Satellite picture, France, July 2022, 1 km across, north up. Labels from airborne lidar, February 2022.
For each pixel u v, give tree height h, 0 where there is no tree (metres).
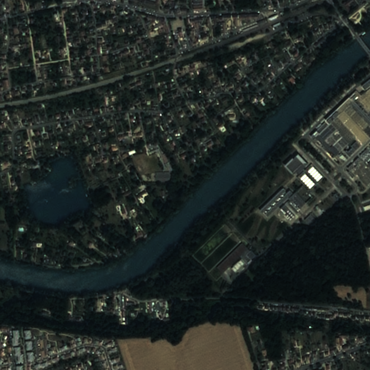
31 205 0
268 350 11
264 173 13
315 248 29
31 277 0
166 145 0
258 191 0
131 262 0
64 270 8
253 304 16
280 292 17
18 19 7
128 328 13
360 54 0
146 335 12
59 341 0
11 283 13
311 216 0
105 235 28
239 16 0
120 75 0
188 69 0
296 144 0
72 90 0
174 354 0
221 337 0
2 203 14
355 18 0
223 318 17
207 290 7
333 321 6
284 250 25
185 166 0
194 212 0
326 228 22
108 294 10
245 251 0
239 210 0
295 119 0
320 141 0
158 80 0
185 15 0
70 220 8
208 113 7
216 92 0
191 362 0
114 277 0
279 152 12
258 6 12
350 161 0
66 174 0
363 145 0
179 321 20
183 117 0
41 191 0
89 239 0
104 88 6
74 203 0
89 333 12
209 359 0
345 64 0
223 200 14
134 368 0
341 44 18
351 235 19
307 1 0
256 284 20
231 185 0
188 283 23
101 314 7
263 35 0
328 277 25
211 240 0
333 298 16
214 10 19
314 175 0
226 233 0
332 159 0
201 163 6
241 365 0
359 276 27
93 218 18
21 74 16
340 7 18
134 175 17
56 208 0
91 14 16
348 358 0
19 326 12
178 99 8
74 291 0
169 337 15
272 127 0
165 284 20
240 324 11
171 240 0
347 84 6
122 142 6
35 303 29
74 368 0
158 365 0
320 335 0
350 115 0
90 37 0
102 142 6
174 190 28
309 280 26
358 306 8
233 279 0
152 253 0
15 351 0
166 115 14
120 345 0
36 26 14
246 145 0
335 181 0
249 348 10
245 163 0
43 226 9
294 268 18
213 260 0
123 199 0
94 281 0
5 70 0
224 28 0
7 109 13
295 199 0
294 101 0
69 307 0
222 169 0
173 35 6
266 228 0
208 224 13
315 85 0
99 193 15
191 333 0
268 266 15
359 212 0
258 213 0
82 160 7
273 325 9
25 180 0
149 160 0
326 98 10
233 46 0
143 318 19
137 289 13
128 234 11
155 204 17
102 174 0
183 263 7
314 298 16
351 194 0
